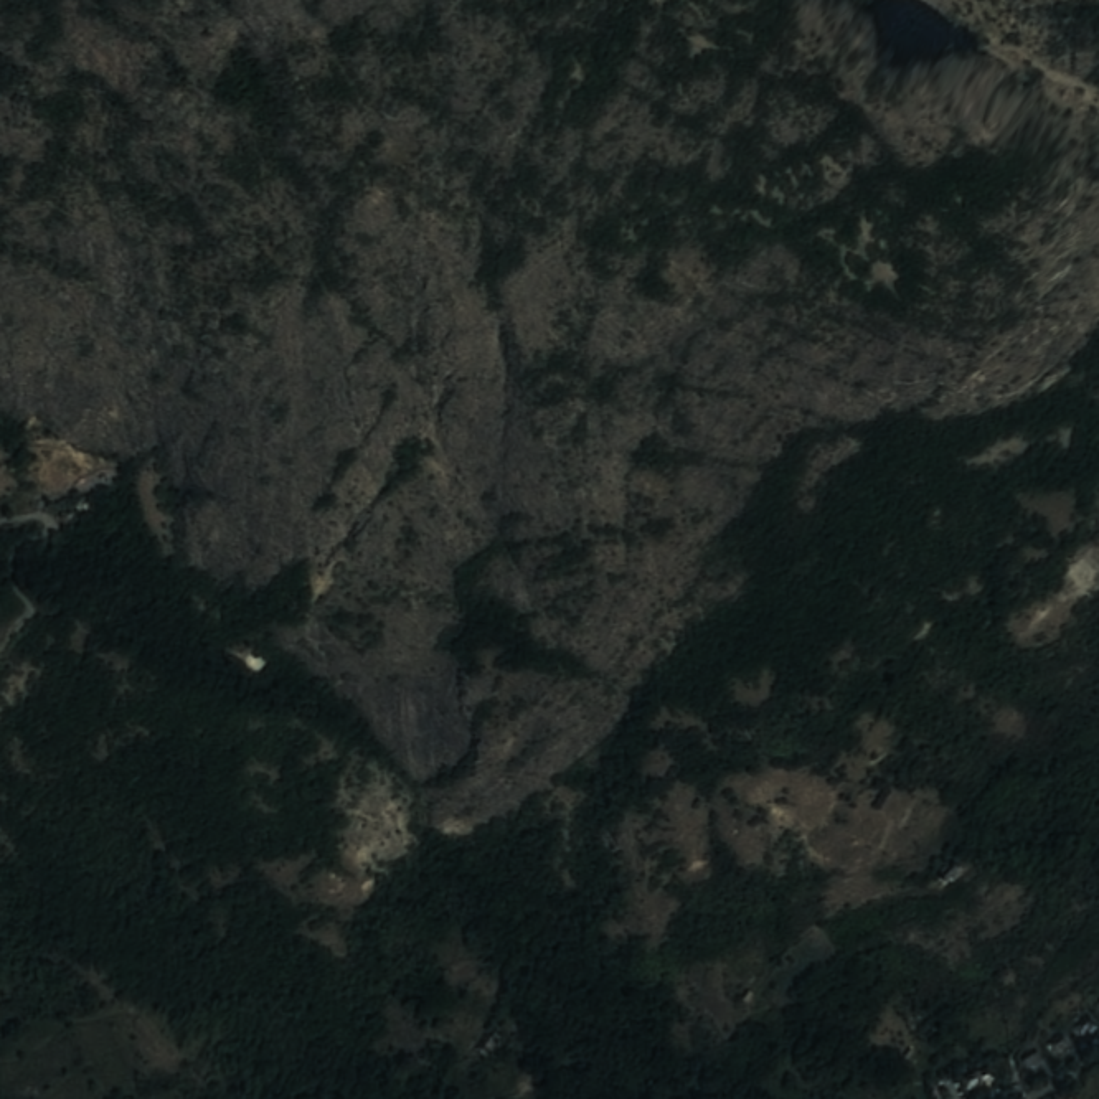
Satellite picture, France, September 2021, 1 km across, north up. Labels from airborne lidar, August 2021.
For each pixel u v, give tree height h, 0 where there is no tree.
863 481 12
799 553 10
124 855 15
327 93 6
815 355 0
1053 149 7
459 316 0
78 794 10
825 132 6
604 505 0
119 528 10
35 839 13
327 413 0
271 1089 14
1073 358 9
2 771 7
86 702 15
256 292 7
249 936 15
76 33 0
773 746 9
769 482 8
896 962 9
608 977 22
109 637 11
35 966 14
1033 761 7
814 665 14
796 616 13
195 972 21
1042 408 9
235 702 16
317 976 10
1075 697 8
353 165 7
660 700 9
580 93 7
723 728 9
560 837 6
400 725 0
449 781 13
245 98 9
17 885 10
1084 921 7
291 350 0
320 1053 22
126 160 7
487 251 7
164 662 16
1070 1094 16
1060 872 10
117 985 12
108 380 0
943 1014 13
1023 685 11
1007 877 14
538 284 0
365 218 0
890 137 0
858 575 11
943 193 10
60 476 0
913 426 8
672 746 5
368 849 0
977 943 8
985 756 7
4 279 0
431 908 21
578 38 8
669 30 6
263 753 8
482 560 8
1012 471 9
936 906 9
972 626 13
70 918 12
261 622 10
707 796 9
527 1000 17
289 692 15
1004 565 10
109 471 0
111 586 24
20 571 17
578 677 6
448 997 18
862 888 0
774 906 12
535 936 11
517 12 5
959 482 11
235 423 0
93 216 0
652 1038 20
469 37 0
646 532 6
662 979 12
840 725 14
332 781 6
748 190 7
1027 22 7
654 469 7
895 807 0
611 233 6
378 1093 23
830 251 6
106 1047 0
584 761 8
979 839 18
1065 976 10
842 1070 18
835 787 8
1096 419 11
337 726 19
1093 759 18
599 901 20
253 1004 14
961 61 8
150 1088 12
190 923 17
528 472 0
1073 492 8
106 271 0
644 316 0
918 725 12
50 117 9
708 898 10
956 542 9
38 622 6
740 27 7
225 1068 9
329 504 7
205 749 10
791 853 7
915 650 15
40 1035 0
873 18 12
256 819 9
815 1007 14
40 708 10
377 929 18
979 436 15
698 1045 8
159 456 8
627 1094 23
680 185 8
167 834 12
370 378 0
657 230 6
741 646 14
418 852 10
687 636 6
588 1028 13
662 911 0
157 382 6
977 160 8
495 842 11
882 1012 7
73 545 10
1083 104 0
